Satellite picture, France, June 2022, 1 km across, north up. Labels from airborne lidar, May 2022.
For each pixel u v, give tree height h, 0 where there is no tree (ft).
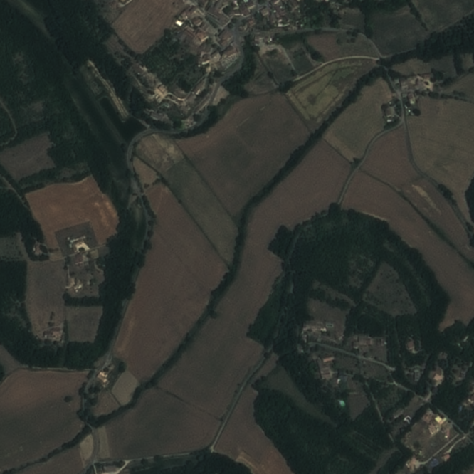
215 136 0
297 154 53
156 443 0
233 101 0
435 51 57
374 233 36
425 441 0
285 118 0
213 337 0
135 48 0
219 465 45
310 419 24
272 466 0
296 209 0
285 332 24
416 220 0
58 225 0
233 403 0
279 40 21
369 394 34
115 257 62
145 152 0
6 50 24
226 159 0
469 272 0
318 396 39
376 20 0
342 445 41
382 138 0
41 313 0
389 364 26
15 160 0
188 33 0
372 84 41
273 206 0
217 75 43
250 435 0
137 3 0
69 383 0
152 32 0
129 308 0
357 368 24
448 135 0
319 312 0
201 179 0
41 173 32
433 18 0
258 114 0
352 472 29
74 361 32
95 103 0
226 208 0
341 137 0
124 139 0
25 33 58
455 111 0
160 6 0
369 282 31
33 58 40
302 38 23
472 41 54
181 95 0
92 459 0
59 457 0
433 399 41
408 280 43
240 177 0
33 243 50
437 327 53
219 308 0
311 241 31
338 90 0
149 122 59
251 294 0
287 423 35
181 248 0
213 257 0
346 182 0
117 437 0
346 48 0
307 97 0
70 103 42
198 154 0
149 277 0
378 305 24
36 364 54
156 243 0
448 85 35
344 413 33
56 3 72
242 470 46
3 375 45
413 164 0
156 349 0
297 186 0
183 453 0
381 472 24
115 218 0
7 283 52
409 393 41
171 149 0
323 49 0
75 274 18
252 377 21
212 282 0
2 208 38
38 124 23
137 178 40
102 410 0
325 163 0
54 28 56
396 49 0
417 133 0
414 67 0
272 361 0
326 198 0
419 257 56
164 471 37
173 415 0
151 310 0
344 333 24
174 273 0
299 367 39
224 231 0
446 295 61
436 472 43
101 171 60
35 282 0
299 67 0
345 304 39
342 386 52
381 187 0
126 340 0
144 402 0
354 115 0
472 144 0
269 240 0
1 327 50
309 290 38
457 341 22
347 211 19
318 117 0
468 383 32
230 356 0
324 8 37
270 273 0
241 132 0
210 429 0
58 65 72
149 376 0
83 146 18
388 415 42
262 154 0
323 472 23
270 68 0
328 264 30
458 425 25
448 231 0
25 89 33
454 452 20
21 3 0
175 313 0
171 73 21
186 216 0
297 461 54
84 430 31
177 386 0
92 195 0
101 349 44
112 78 42
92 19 34
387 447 39
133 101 47
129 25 0
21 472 0
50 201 0
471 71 36
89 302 45
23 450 0
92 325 0
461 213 0
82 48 64
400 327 30
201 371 0
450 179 0
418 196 0
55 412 0
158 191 0
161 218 0
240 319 0
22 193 34
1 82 32
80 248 22
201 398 0
